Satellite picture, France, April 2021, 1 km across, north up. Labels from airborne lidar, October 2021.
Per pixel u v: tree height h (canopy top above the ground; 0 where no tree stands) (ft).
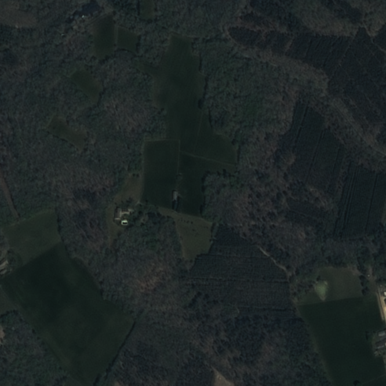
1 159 64
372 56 39
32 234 0
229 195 40
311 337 63
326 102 57
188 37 33
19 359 62
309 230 69
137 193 0
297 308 0
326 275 0
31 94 49
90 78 0
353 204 44
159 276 34
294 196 58
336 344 0
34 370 67
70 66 64
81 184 41
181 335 41
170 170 0
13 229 0
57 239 0
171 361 44
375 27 56
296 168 40
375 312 0
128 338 39
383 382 0
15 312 31
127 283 60
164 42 36
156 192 0
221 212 43
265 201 40
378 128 46
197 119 0
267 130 77
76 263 0
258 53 53
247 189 27
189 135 0
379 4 52
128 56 45
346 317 0
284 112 45
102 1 67
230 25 47
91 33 52
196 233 0
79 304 0
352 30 50
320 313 0
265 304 34
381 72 40
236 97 33
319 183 34
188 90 0
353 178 30
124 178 59
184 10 58
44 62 54
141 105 66
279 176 43
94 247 44
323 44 43
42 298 0
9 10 41
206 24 65
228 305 30
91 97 0
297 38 31
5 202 74
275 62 41
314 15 60
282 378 56
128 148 50
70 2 60
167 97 0
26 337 54
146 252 45
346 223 40
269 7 87
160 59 22
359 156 28
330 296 0
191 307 47
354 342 0
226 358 50
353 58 44
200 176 0
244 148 76
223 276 38
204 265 46
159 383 57
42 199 83
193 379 44
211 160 0
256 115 60
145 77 61
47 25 83
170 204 0
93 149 46
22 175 72
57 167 53
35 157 41
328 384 81
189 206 0
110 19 0
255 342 70
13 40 67
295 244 55
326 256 79
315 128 43
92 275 0
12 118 62
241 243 48
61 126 0
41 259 0
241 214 24
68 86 51
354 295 0
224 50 66
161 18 57
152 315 44
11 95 56
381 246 95
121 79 56
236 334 73
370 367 0
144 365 52
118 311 0
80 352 0
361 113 32
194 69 0
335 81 41
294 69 61
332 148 40
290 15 44
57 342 0
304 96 31
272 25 30
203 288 36
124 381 64
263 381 66
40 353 47
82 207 47
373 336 18
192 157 0
